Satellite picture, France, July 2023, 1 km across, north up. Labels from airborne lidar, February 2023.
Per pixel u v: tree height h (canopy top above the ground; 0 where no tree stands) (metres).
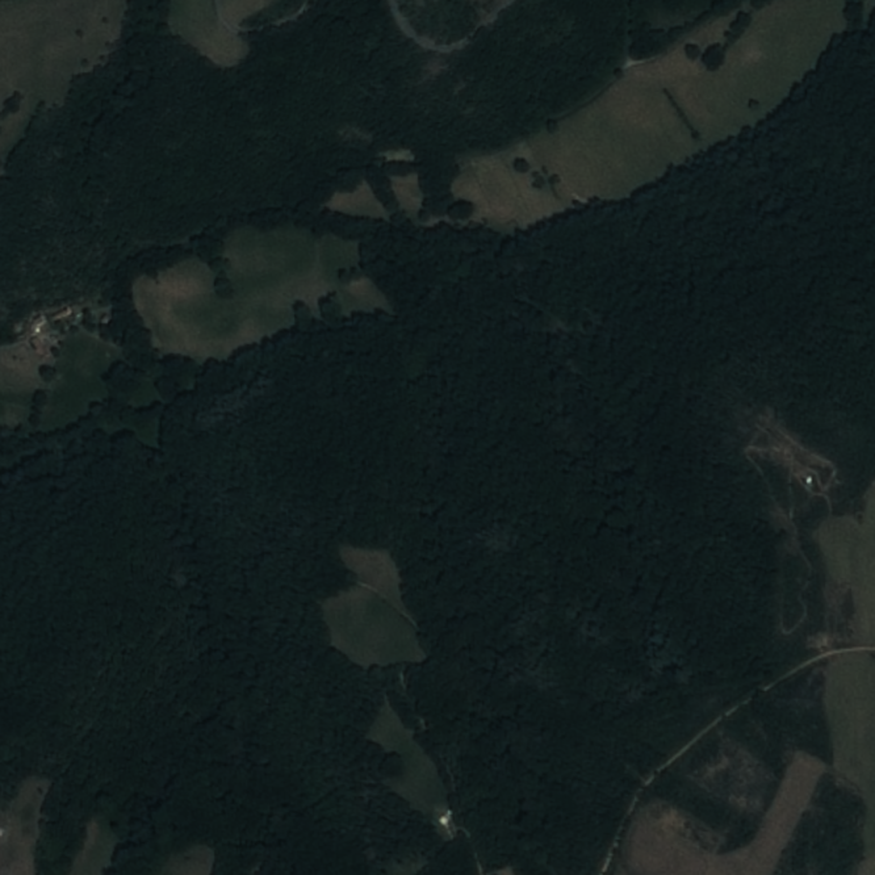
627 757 10
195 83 10
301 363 21
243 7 0
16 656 17
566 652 13
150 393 0
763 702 9
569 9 9
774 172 20
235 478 11
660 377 14
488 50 10
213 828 18
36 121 11
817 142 24
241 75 13
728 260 21
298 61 16
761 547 15
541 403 19
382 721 0
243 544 16
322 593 17
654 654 28
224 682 33
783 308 19
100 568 18
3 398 0
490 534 21
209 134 19
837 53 25
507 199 0
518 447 14
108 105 16
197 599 20
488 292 20
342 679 13
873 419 10
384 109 23
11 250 17
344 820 19
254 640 8
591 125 0
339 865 26
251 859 24
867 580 0
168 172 15
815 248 21
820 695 0
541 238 22
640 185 0
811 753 0
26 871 0
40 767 9
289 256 0
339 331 18
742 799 0
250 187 13
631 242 22
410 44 11
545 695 12
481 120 12
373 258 21
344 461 22
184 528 8
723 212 18
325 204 18
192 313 0
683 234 22
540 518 16
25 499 21
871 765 0
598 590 18
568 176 0
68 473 22
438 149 22
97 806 25
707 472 18
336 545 11
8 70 0
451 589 25
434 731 11
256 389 22
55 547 18
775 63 0
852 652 0
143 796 12
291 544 17
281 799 30
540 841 25
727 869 0
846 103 20
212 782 25
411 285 21
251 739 25
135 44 22
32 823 0
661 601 17
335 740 10
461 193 0
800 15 0
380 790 14
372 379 21
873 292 19
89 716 15
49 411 0
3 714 12
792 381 14
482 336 12
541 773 17
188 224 16
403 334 7
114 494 18
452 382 24
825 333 17
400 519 20
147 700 17
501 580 18
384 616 0
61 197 14
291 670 16
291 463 19
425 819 9
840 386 16
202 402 19
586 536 19
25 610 17
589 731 11
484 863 9
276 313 0
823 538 0
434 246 23
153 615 18
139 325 20
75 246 10
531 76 21
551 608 16
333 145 7
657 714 14
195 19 0
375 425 22
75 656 12
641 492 24
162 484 8
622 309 15
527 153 0
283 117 18
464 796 14
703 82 0
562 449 16
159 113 10
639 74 0
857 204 19
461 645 18
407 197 0
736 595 13
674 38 12
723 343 18
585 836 8
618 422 20
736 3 20
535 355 24
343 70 12
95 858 0
